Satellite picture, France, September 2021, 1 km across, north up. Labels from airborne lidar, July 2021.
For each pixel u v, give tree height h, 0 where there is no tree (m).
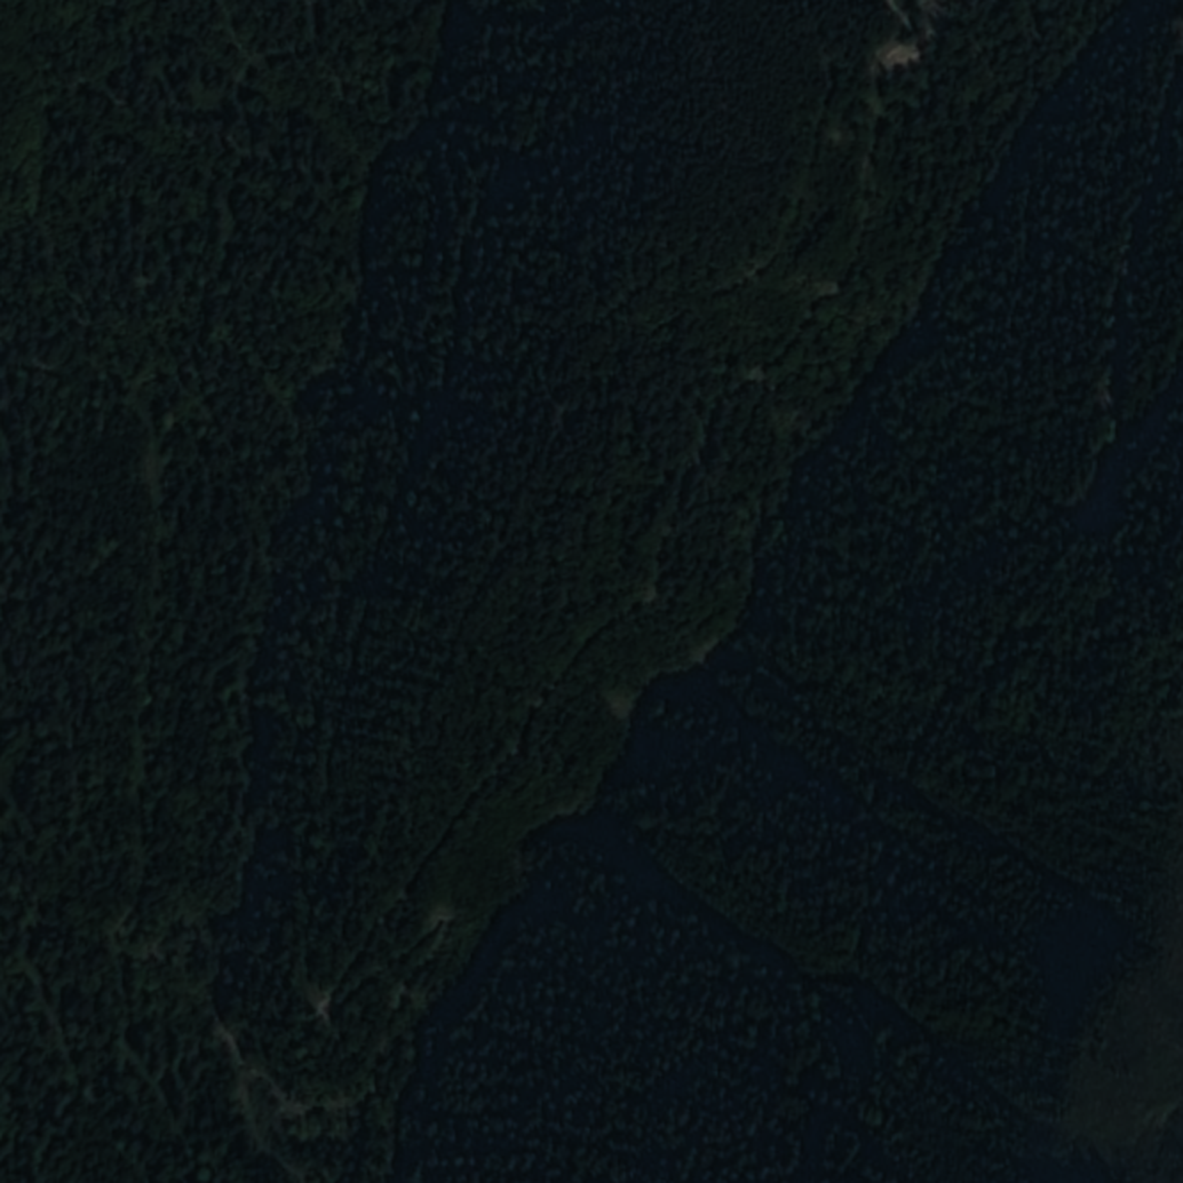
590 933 21
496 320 23
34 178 18
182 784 24
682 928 27
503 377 33
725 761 13
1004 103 22
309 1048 20
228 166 13
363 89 16
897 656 23
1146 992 0
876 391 27
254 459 42
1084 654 14
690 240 15
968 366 24
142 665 22
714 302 18
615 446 16
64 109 12
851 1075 19
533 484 20
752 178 26
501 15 14
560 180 14
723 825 17
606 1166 33
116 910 20
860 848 30
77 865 8
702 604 21
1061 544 23
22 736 31
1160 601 27
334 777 10
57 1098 18
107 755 12
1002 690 27
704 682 9
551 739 16
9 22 15
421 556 9
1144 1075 0
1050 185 27
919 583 25
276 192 28
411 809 17
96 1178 15
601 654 19
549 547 19
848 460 22
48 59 18
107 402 29
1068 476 28
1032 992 7
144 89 28
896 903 25
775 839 26
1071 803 12
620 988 32
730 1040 25
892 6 0
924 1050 14
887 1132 9
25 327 21
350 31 27
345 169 21
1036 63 26
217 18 29
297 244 33
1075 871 8
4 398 32
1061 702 17
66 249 8
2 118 12
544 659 26
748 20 23
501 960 24
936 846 11
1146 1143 0
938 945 24
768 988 27
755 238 17
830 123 9
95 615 20
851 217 6
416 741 13
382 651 8
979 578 18
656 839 17
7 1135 22
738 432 22
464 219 32
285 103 7
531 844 10
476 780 13
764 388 12
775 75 20
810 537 18
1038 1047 6
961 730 11
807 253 20
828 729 7
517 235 19
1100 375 24
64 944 26
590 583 11
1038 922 8
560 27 27
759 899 13
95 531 19
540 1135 21
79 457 13
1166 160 22
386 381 7
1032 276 21
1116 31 17
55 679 26
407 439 15
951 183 28
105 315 30
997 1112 8
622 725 8
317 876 9
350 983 17
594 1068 31
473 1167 23
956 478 21
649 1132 28
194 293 23
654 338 13
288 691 7
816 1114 19
